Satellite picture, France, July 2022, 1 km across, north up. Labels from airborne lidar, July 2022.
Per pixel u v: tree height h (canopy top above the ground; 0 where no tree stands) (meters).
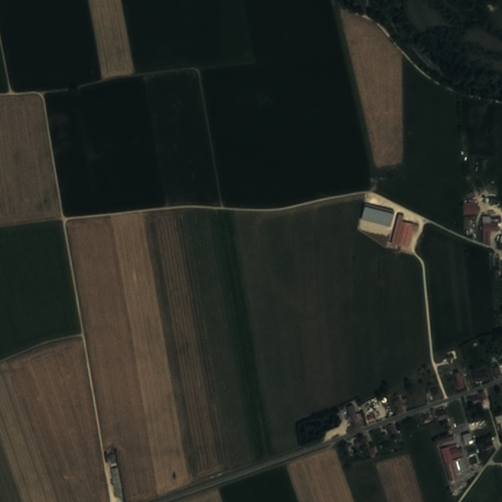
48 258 0
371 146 0
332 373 0
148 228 0
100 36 0
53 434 0
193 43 0
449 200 0
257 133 0
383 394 13
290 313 0
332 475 0
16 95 0
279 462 0
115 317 0
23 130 0
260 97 0
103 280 0
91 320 0
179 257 0
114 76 0
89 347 0
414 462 0
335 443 0
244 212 0
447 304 0
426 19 0
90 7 0
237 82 0
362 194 0
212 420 0
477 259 0
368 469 0
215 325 0
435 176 0
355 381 0
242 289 0
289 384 0
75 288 0
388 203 0
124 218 0
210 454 0
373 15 16
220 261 0
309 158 0
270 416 0
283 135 0
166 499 0
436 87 0
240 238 0
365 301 0
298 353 0
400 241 0
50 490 0
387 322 0
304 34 0
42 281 0
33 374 0
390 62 0
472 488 0
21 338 0
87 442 0
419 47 14
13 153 0
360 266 0
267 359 0
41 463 0
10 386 0
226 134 0
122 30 0
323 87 0
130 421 0
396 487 0
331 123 0
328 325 0
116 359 0
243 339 0
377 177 0
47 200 0
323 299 0
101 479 0
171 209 0
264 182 0
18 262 0
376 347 0
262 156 0
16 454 0
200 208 0
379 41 0
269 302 0
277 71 0
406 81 0
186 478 0
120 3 0
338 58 0
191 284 0
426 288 0
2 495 0
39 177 0
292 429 0
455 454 0
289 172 0
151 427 0
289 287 0
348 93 0
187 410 0
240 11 0
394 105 0
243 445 0
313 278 0
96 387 0
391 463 0
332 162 0
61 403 0
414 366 0
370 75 0
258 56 0
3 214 0
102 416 0
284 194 0
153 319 0
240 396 0
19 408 0
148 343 0
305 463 0
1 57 0
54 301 0
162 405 0
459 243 0
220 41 0
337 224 0
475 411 14
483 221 0
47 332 0
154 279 0
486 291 0
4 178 0
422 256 0
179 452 0
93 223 0
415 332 0
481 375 0
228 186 0
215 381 0
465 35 8
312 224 0
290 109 0
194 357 0
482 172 0
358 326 0
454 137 0
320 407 0
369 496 0
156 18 0
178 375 0
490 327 0
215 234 0
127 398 0
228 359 0
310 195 0
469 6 11
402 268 0
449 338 0
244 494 0
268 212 0
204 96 0
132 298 0
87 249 0
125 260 0
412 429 0
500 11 0
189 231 0
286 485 0
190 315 0
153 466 0
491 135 0
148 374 0
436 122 0
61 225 0
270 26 0
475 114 0
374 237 0
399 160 0
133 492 0
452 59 16
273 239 0
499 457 0
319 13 0
